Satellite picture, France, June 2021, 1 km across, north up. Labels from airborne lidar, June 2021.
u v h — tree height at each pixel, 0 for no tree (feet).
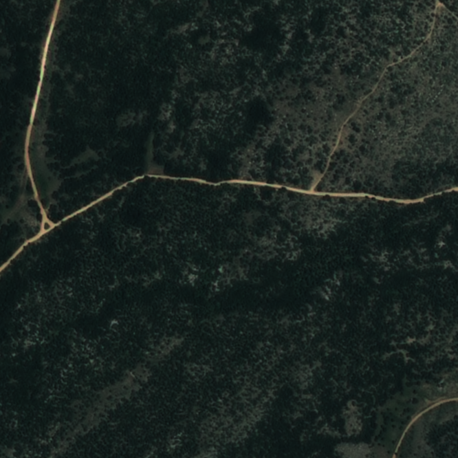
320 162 21
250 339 22
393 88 22
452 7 23
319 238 23
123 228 22
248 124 33
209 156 29
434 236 31
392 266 28
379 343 33
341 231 31
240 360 24
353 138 22
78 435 19
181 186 28
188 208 26
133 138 26
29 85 27
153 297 25
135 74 20
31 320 20
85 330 33
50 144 35
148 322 25
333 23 24
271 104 19
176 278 21
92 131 17
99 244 31
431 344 26
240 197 28
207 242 24
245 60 24
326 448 33
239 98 21
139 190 26
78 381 17
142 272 31
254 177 23
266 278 24
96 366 21
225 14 27
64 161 33
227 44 20
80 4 21
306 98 21
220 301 27
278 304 46
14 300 29
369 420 24
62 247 23
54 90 22
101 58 18
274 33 40
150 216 30
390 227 31
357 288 39
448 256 22
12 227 33
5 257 27
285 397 26
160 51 28
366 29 21
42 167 0
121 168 40
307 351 22
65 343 25
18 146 0
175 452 21
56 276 23
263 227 23
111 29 28
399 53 21
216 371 24
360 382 35
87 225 23
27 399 24
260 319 19
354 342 22
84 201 21
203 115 21
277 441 23
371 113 0
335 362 25
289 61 21
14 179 27
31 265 19
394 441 27
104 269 29
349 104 0
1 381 21
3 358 27
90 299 28
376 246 22
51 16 0
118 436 22
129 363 22
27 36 28
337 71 0
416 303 23
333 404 21
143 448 22
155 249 31
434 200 27
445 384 28
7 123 36
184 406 25
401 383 26
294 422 24
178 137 25
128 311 23
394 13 19
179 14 21
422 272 22
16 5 26
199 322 21
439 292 30
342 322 21
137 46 24
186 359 23
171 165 36
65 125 18
